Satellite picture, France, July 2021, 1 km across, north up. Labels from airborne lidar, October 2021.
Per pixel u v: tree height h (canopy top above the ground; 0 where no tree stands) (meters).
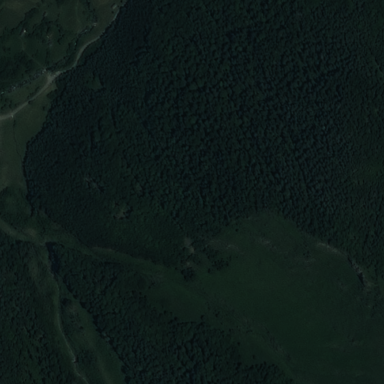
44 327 30
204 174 15
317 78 9
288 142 25
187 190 20
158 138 17
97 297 29
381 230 15
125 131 29
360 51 19
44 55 0
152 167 24
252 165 11
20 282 12
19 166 0
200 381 20
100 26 0
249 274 0
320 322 0
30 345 7
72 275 21
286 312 0
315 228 22
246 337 0
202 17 24
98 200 33
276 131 29
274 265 0
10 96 0
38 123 0
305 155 25
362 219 14
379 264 17
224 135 25
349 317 0
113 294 21
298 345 0
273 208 13
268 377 23
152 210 19
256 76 11
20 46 0
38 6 6
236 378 26
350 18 17
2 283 19
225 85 28
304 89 24
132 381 30
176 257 17
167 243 15
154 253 16
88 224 22
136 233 18
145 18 27
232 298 0
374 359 0
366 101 32
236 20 23
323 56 30
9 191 6
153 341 29
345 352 0
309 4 20
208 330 23
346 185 17
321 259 0
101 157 37
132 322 25
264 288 0
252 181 23
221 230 12
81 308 0
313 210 21
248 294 0
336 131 24
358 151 21
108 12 0
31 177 22
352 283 0
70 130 24
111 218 21
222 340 28
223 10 16
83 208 26
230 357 13
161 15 36
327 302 0
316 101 11
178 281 0
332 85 26
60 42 14
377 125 21
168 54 22
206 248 8
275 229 0
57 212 20
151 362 20
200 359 27
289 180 13
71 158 28
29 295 30
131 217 24
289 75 21
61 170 28
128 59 23
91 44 8
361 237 16
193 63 24
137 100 24
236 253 0
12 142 0
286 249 0
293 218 9
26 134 0
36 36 7
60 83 9
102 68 20
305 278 0
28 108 0
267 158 19
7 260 21
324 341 0
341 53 25
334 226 17
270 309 0
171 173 27
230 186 13
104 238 23
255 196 10
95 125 26
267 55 13
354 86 20
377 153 19
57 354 23
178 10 24
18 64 8
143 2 24
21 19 0
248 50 25
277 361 0
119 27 21
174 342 11
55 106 13
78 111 22
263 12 13
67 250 22
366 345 0
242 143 33
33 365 7
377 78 26
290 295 0
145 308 24
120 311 20
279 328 0
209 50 17
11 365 28
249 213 7
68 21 0
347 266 0
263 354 0
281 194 18
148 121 22
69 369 13
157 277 0
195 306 0
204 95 33
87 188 30
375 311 0
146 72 20
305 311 0
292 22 18
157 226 15
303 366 0
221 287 0
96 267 29
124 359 27
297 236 0
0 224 0
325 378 0
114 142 28
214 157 18
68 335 9
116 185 30
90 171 27
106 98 20
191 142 25
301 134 10
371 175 14
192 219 14
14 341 30
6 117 0
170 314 7
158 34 28
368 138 18
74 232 19
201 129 35
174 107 20
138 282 27
